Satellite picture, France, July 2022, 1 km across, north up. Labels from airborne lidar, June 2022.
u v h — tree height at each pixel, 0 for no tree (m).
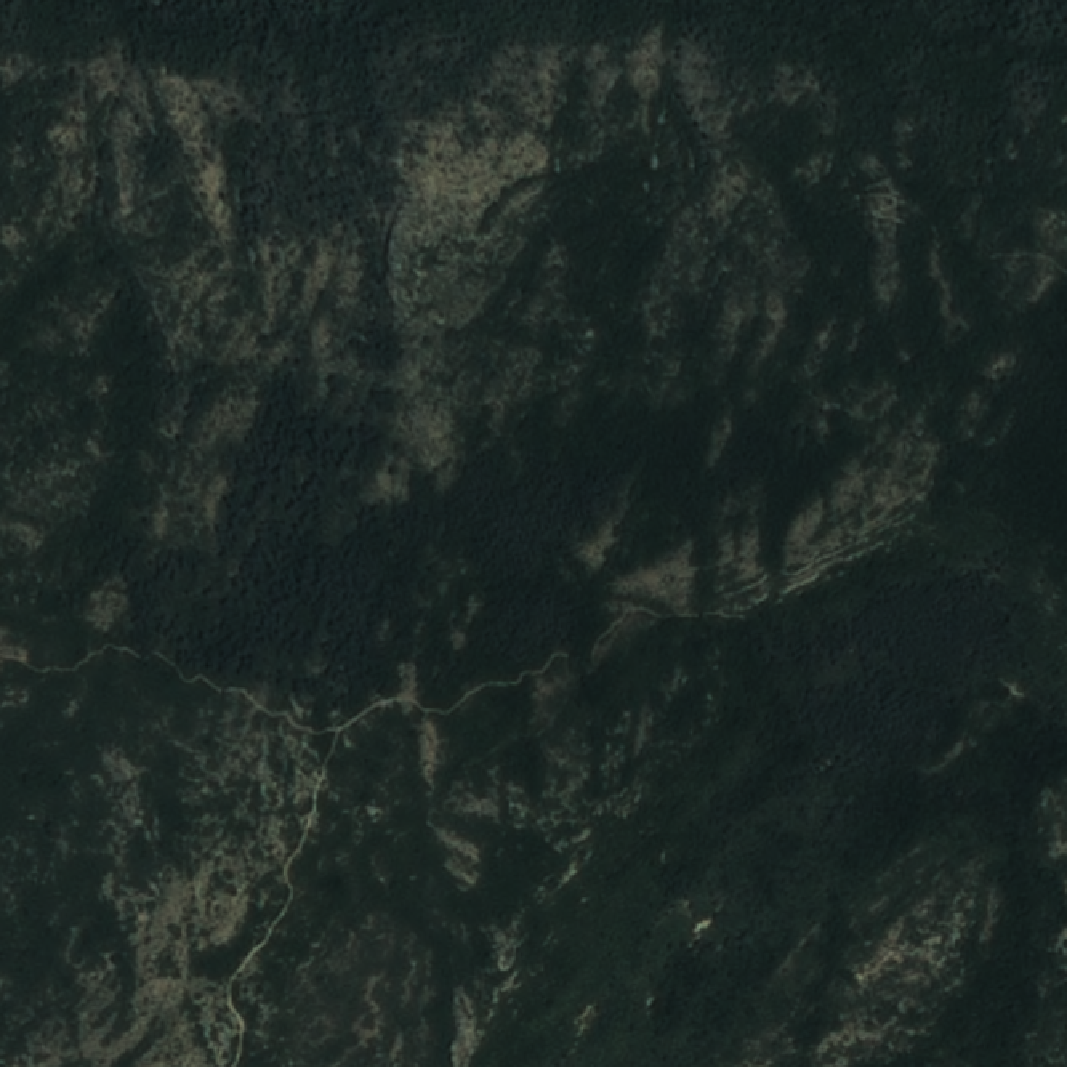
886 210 0
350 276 0
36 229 0
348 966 0
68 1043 0
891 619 12
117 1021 0
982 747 7
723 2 14
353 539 6
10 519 0
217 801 0
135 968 0
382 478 0
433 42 5
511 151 0
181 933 0
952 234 6
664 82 6
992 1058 7
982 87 7
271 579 7
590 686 7
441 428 0
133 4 15
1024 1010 6
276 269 0
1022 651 6
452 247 0
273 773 0
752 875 5
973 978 6
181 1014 0
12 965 0
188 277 0
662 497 5
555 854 0
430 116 7
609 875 6
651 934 9
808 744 7
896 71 9
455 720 0
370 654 7
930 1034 6
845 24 11
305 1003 0
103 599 0
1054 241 0
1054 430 6
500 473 10
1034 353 5
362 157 7
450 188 0
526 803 0
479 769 0
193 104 0
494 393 0
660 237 6
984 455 7
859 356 5
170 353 0
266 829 0
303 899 0
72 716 0
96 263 5
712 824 8
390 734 0
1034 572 0
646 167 6
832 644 7
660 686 0
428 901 0
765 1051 0
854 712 10
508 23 7
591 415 6
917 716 10
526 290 6
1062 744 9
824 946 6
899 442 0
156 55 10
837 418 7
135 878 0
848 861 7
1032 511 9
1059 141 6
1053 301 6
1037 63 9
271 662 0
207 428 0
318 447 12
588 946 0
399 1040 0
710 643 7
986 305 6
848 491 0
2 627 0
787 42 10
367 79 7
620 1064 0
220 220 0
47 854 0
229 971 0
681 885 9
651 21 10
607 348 6
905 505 0
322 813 0
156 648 0
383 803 0
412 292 0
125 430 7
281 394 6
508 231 0
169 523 0
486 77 6
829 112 7
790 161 6
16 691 0
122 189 0
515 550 12
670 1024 6
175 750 0
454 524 6
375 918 0
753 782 10
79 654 6
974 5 11
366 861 0
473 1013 0
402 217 0
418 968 0
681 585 0
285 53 6
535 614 12
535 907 0
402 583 7
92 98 11
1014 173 5
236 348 0
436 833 0
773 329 0
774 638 8
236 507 11
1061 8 14
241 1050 0
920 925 0
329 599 10
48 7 7
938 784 6
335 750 0
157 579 8
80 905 0
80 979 0
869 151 6
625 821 7
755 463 6
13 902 0
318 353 0
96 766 0
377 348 7
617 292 7
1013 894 9
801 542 0
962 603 15
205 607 8
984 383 6
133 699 0
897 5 14
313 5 14
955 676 6
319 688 8
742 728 7
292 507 10
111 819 0
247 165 9
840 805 8
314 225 9
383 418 0
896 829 6
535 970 0
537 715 0
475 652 7
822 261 6
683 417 6
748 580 0
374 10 10
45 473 0
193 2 10
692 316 5
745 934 9
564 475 9
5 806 0
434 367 0
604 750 0
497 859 0
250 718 0
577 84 6
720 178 0
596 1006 7
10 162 0
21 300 6
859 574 8
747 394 0
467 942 0
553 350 6
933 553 6
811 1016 5
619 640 0
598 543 0
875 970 0
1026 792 7
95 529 6
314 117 7
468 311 0
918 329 7
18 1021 0
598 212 6
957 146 7
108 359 7
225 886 0
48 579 0
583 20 8
